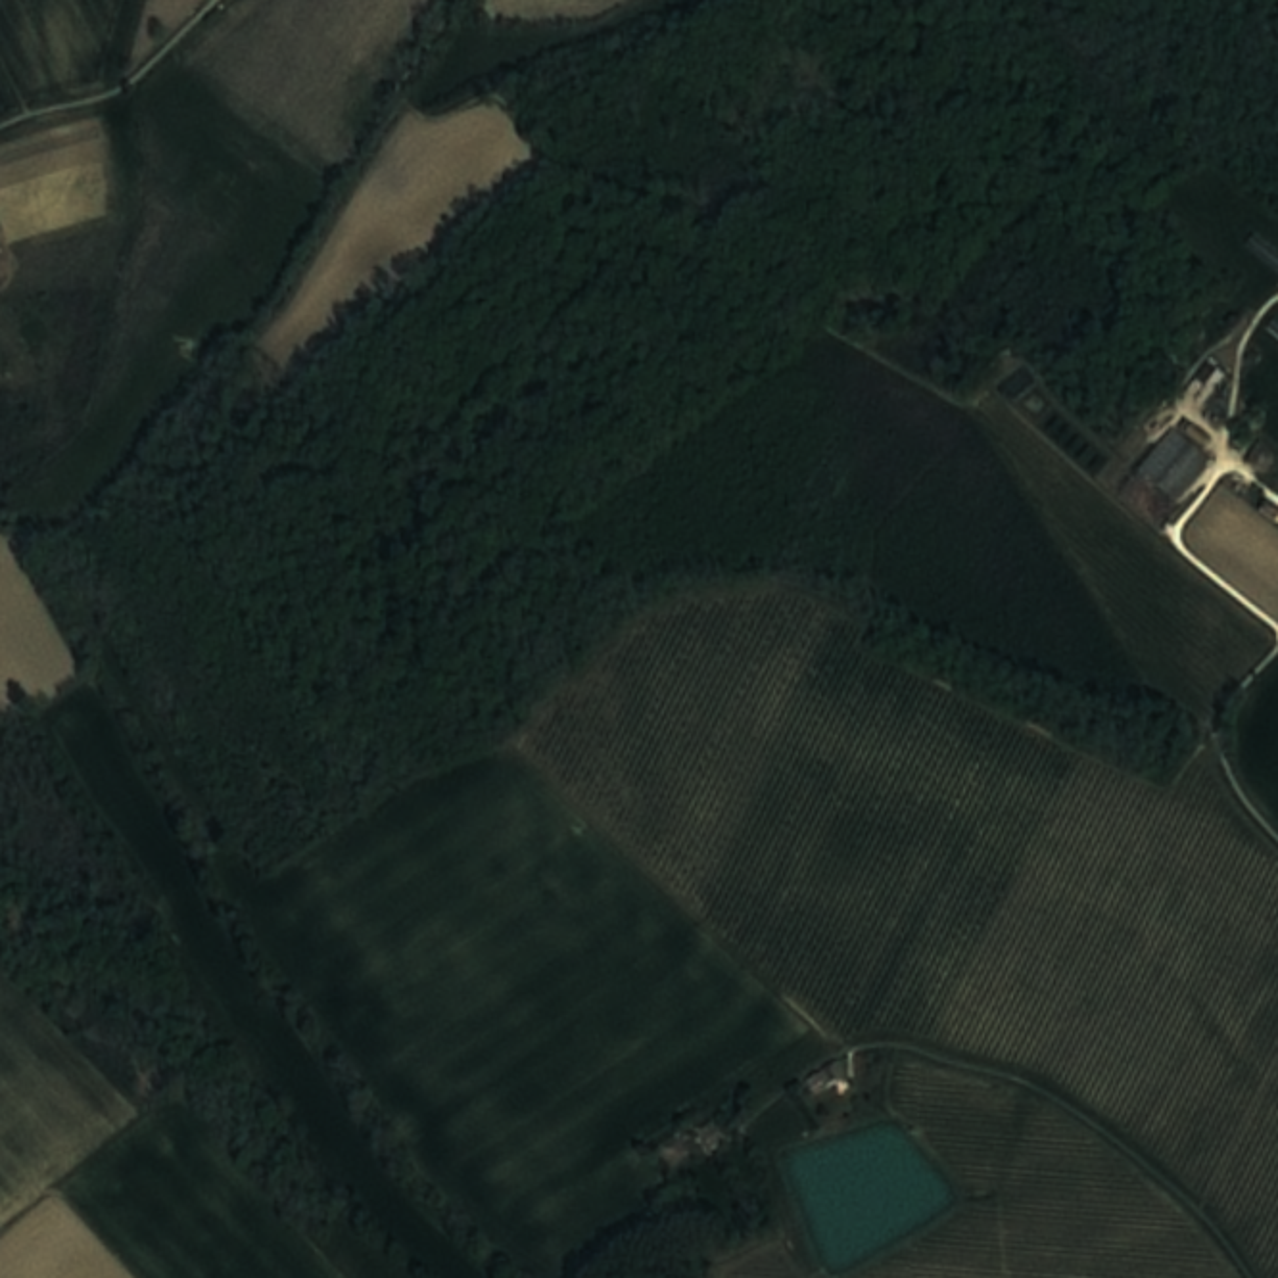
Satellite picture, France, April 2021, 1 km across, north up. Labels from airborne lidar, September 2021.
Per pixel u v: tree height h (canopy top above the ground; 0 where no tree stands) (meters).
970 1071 0
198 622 10
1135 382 20
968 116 23
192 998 13
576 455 29
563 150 22
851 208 22
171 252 0
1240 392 0
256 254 0
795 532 9
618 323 21
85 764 0
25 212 0
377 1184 0
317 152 0
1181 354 20
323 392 21
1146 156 15
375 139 16
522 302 24
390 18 0
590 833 0
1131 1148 0
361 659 24
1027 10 7
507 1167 0
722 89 18
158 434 17
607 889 0
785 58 23
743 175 10
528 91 15
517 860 0
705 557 10
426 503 24
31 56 0
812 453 8
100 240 0
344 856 0
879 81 14
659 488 11
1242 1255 0
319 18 0
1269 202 7
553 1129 0
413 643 19
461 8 22
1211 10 24
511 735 18
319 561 22
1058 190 21
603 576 9
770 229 23
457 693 19
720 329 28
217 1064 27
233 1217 0
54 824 10
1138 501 0
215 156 0
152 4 0
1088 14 24
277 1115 23
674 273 22
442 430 9
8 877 20
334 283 0
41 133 0
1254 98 22
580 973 0
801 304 24
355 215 0
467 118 0
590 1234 0
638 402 26
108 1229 0
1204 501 0
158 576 12
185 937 0
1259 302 0
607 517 10
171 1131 0
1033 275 6
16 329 0
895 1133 0
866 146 22
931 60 18
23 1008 0
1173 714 21
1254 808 0
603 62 12
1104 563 0
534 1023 0
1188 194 0
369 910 0
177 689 7
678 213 20
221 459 19
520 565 24
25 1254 0
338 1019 0
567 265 24
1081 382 23
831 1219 0
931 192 23
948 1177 0
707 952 0
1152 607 0
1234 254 0
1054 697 24
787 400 10
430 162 0
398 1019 0
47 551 29
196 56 0
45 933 21
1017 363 0
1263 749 0
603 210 21
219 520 19
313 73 0
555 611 22
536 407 23
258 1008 0
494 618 25
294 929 0
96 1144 0
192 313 0
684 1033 0
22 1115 0
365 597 13
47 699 12
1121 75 23
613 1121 0
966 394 23
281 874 10
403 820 0
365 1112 19
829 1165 0
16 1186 0
